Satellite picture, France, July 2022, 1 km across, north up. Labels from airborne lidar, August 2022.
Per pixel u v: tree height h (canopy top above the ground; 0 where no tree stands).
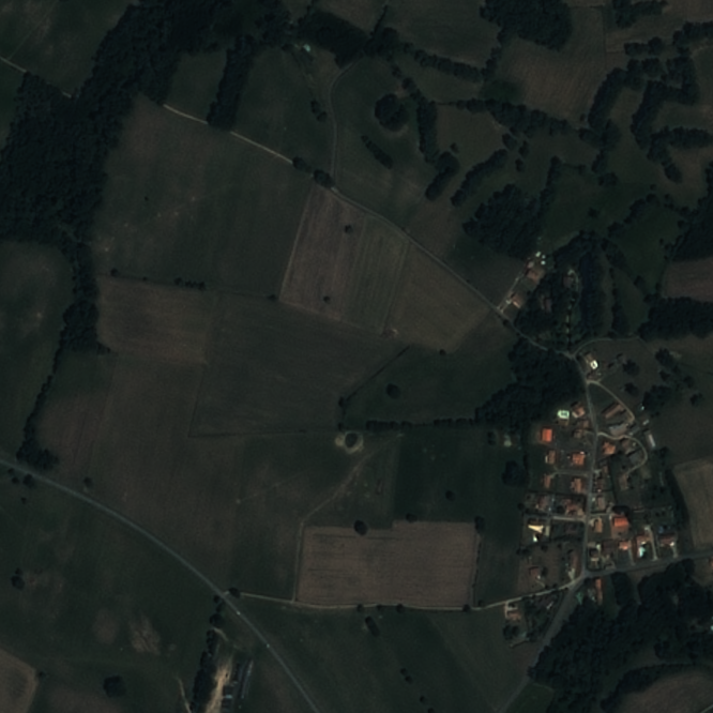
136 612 0
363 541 0
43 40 0
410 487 0
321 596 0
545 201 16
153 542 0
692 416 0
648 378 0
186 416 0
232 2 20
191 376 0
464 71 21
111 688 21
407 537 0
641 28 0
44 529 0
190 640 0
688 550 0
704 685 0
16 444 0
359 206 0
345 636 0
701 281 0
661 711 0
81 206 25
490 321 0
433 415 0
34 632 0
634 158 0
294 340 0
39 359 0
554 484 0
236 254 0
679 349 0
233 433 0
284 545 0
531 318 17
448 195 0
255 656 0
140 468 0
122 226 0
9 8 0
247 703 0
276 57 0
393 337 0
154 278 0
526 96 0
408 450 0
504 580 0
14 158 18
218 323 0
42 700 0
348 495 0
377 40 8
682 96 22
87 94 17
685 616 26
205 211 0
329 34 20
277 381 0
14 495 0
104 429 0
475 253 0
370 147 13
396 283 0
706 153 0
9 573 0
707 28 17
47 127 15
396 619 0
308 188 0
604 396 0
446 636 0
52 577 0
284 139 0
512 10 10
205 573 0
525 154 15
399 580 0
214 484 0
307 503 0
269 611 0
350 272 0
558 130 19
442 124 0
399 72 20
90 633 0
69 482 0
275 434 0
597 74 0
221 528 0
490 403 11
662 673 7
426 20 0
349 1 0
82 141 31
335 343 0
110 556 0
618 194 0
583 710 6
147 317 0
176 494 0
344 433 7
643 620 24
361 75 0
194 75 0
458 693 0
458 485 0
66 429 0
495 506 0
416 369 0
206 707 9
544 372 15
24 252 0
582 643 21
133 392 0
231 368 0
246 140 0
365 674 0
